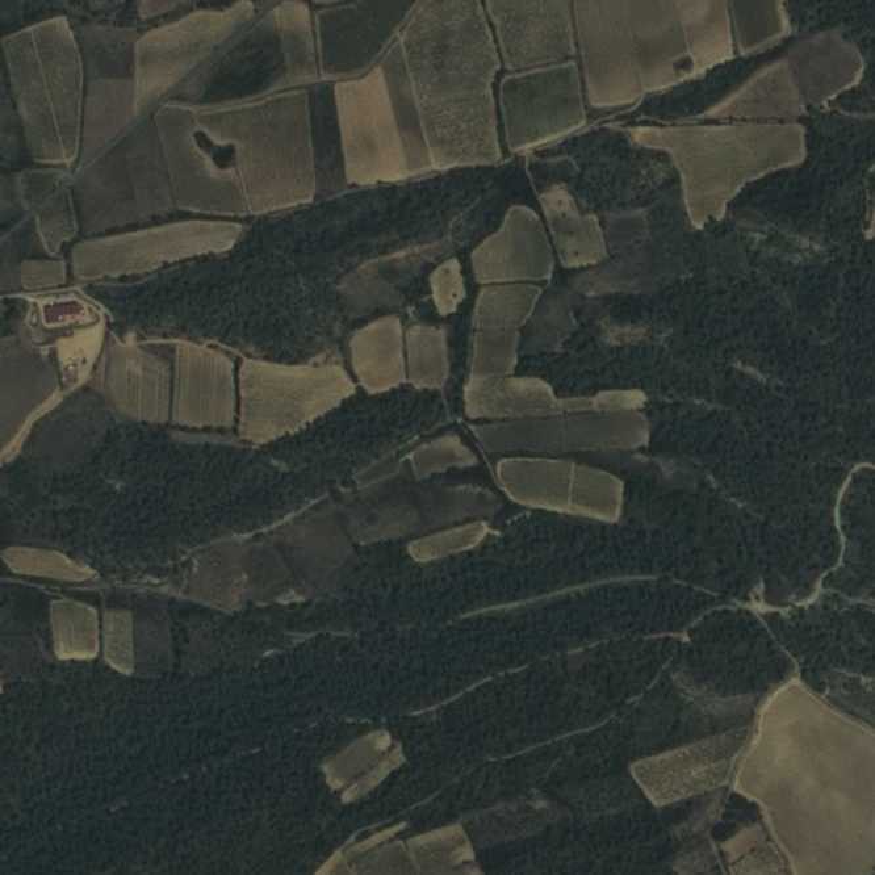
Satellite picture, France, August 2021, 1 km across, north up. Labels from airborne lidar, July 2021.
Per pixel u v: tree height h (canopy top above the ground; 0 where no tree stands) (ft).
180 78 0
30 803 40
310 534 0
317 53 0
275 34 0
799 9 28
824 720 0
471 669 31
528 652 31
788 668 28
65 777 31
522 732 33
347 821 38
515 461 0
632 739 37
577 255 0
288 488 25
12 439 0
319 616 29
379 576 29
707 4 0
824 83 0
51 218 0
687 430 42
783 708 0
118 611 0
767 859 0
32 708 40
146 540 32
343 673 35
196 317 25
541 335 0
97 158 0
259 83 0
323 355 0
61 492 34
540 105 0
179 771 48
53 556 0
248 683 34
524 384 0
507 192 20
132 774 45
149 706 39
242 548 0
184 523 30
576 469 0
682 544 30
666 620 35
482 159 0
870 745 0
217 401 0
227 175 0
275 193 0
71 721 35
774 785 0
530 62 0
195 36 0
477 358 0
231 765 35
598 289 0
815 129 23
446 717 19
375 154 0
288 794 37
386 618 40
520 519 26
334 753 27
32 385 0
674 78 0
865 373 35
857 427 36
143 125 0
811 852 0
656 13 0
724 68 40
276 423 0
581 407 0
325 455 33
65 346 0
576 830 21
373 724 30
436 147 0
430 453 0
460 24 0
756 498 24
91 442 0
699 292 33
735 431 38
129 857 35
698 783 0
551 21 0
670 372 33
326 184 0
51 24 0
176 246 0
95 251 0
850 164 42
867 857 0
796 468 40
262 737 46
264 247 33
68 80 0
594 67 0
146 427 24
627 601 41
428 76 0
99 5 0
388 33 0
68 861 48
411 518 0
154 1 0
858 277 47
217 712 35
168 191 0
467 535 0
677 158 0
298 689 27
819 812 0
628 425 0
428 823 32
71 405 0
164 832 37
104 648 0
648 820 21
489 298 0
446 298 0
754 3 0
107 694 24
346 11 0
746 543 30
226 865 23
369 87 0
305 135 0
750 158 0
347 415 33
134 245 0
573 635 37
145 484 27
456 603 45
